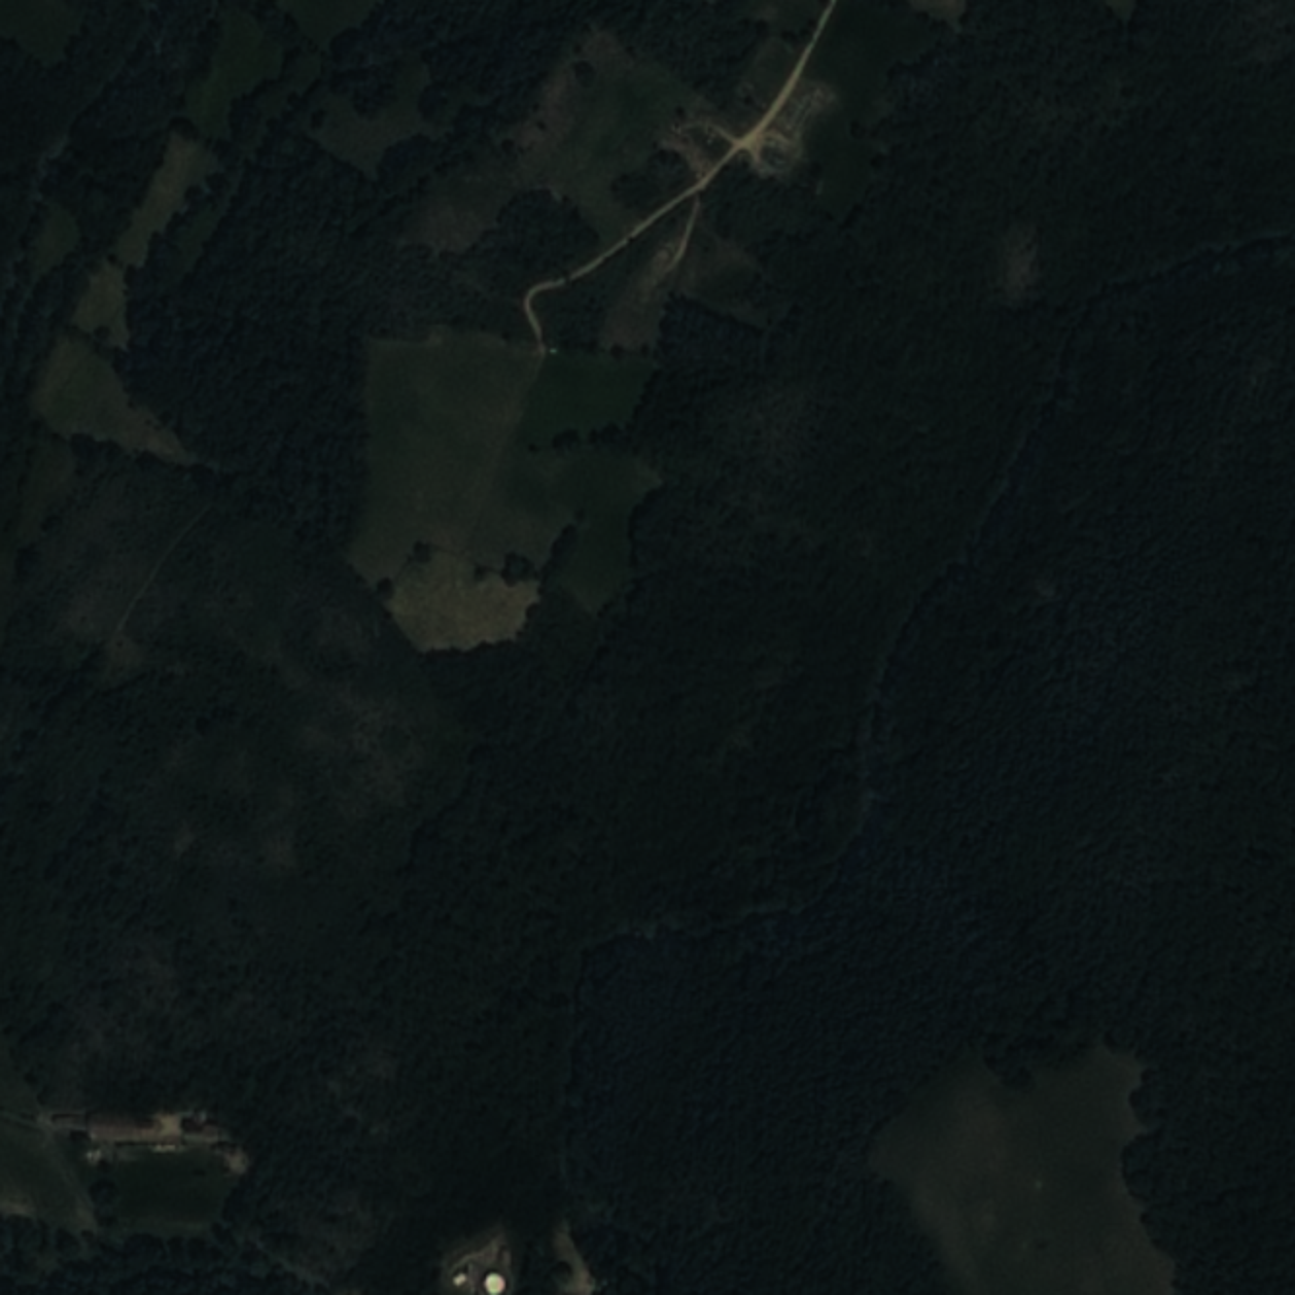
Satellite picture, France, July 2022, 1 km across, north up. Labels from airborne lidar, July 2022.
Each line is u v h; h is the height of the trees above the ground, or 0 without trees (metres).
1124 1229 0
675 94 0
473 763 12
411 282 10
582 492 0
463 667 17
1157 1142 14
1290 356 15
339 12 0
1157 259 19
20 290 12
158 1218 0
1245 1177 22
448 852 23
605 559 0
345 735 0
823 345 19
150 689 6
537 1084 10
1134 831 12
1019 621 18
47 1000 9
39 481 0
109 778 11
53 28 0
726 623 8
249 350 23
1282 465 19
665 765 14
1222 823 17
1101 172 18
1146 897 10
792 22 0
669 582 18
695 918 11
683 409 11
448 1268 0
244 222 13
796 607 22
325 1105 8
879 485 18
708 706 17
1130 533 24
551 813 25
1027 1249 0
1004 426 22
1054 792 18
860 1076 18
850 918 17
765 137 0
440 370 0
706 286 0
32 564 14
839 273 22
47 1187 0
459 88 12
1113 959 19
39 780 5
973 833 11
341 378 9
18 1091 0
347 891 0
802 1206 15
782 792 10
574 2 7
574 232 15
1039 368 20
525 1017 25
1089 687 15
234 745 0
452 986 16
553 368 0
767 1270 22
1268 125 17
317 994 9
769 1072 17
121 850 8
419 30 22
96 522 0
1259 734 21
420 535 0
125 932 7
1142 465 23
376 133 0
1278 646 25
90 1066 8
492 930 19
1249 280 22
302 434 13
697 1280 27
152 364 29
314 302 15
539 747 18
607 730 11
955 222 18
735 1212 16
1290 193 18
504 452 0
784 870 16
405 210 7
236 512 7
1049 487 22
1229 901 20
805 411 7
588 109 0
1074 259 26
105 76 19
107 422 0
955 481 22
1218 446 7
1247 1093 20
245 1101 15
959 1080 0
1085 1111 0
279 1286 17
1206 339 20
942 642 22
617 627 9
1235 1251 24
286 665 0
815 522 17
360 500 18
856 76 0
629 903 17
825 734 18
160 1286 27
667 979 28
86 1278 21
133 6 24
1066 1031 25
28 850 6
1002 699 20
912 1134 0
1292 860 14
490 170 0
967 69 17
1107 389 20
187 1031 8
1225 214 23
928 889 25
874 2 14
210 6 10
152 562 0
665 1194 10
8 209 25
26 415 22
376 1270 12
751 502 9
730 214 8
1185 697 11
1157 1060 12
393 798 0
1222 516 16
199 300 18
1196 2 10
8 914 5
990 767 10
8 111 26
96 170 10
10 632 5
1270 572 22
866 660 20
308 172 17
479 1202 15
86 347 5
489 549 0
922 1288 16
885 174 9
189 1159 0
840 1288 19
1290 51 7
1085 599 8
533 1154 11
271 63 0
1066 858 12
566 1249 0
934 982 17
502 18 6
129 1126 0
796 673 8
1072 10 19
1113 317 20
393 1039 9
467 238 0
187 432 23
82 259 13
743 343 21
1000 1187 0
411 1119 8
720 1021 18
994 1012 24
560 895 14
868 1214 12
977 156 18
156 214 0
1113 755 18
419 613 0
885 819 28
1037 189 23
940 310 18
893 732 21
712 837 22
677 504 14
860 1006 14
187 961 16
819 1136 12
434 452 0
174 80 24
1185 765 12
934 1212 0
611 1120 32
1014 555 21
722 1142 18
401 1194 13
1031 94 8
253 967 8
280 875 0
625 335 0
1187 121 24
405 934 11
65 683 8
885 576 20
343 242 6
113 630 0
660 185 0
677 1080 21
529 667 9
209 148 8
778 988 24
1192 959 15
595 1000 21
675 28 8
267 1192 15
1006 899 20
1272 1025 20
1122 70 14
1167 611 16
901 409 19
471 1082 13
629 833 19
